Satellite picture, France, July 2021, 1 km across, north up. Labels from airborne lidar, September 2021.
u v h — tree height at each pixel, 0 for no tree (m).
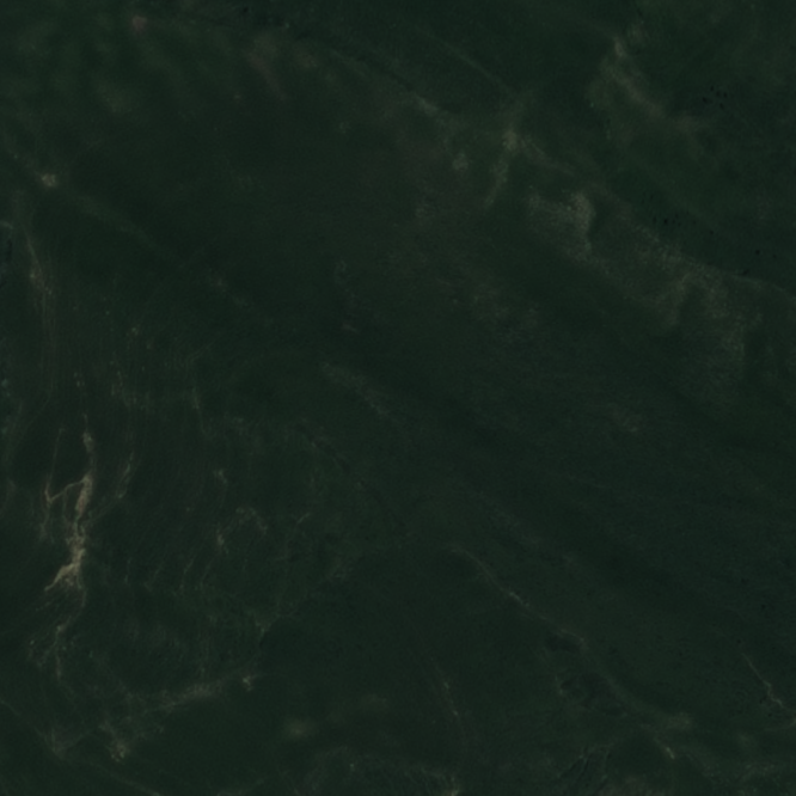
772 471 0
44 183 0
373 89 0
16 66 0
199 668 0
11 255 0
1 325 0
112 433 0
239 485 0
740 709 0
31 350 0
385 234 0
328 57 0
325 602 0
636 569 0
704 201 0
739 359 0
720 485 0
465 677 0
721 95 6
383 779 0
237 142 0
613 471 0
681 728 0
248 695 0
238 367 0
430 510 0
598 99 0
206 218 0
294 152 0
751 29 0
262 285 0
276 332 0
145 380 0
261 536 0
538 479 0
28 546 0
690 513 0
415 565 0
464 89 0
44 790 0
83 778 0
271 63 0
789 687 0
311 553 0
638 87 0
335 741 0
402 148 0
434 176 0
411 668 0
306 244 0
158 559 0
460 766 0
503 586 0
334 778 0
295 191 0
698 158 0
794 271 0
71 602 0
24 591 0
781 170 0
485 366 0
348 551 0
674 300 0
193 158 0
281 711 0
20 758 0
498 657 0
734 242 0
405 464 0
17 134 0
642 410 0
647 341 0
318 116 0
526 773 0
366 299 0
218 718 0
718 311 0
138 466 0
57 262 0
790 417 0
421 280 0
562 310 0
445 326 0
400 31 0
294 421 0
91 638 0
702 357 0
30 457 0
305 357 0
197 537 0
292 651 0
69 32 0
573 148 0
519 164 0
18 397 0
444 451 0
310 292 0
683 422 0
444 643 0
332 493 0
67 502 0
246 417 0
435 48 0
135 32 0
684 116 0
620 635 0
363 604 0
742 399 0
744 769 0
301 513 0
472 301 0
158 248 0
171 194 0
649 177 0
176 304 0
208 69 0
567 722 0
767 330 0
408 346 0
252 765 0
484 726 0
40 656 0
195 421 0
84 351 0
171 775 0
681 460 0
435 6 0
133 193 0
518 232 0
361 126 0
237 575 0
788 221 0
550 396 0
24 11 0
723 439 0
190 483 0
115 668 0
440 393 0
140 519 0
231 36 0
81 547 0
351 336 0
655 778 0
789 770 0
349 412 0
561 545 0
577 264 0
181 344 0
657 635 0
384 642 0
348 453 0
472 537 0
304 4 0
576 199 0
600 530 0
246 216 0
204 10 0
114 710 0
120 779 0
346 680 0
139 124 0
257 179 0
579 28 0
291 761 0
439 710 0
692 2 0
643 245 0
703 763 0
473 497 0
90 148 0
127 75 0
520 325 0
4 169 0
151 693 0
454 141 0
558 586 0
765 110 0
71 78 0
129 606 0
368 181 0
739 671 0
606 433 0
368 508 0
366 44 0
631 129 0
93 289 0
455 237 0
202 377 0
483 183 0
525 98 0
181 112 0
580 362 0
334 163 0
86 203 0
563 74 0
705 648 0
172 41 0
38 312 0
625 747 0
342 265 0
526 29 0
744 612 0
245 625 0
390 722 0
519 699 0
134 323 0
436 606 0
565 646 0
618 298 0
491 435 0
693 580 0
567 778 0
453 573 0
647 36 0
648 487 0
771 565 0
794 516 0
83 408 0
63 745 0
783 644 0
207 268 0
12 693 0
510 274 0
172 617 0
